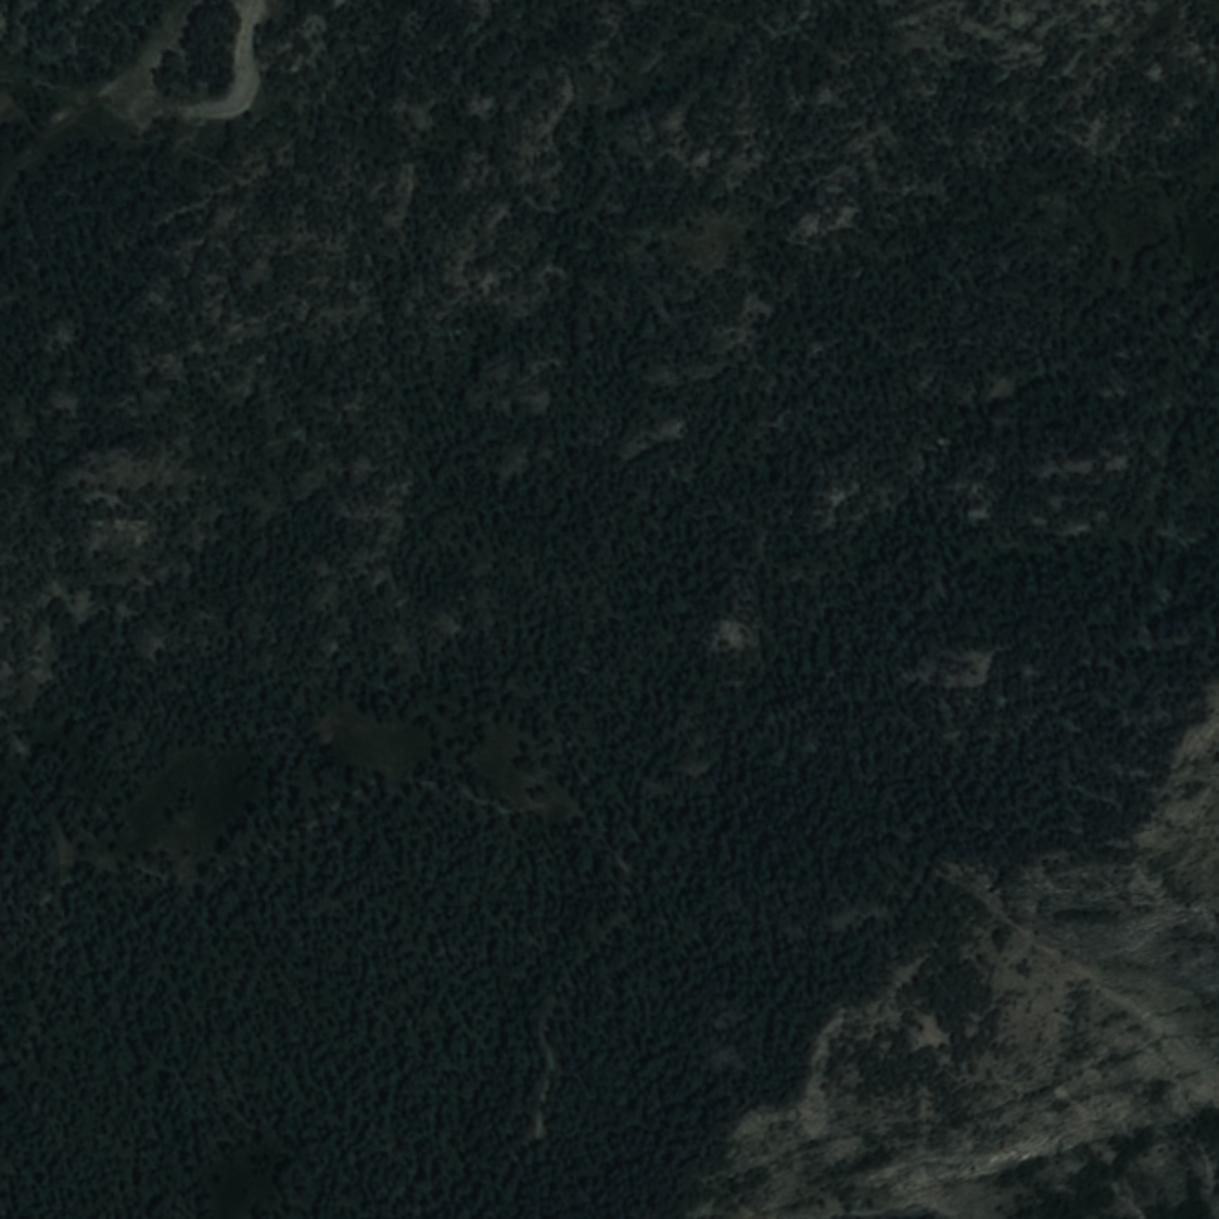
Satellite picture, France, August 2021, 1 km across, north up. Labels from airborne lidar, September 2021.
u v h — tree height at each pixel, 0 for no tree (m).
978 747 16
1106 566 9
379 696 16
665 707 15
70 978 14
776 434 11
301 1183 16
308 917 15
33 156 0
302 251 6
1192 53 0
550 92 8
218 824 0
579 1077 12
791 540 17
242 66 0
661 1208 19
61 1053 12
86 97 0
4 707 13
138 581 16
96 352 9
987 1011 8
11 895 15
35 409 8
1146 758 7
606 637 15
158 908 18
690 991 9
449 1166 19
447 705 13
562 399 17
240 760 0
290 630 11
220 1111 11
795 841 12
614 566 8
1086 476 7
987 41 12
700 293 9
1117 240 0
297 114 8
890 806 14
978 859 7
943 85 9
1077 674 9
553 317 12
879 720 16
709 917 14
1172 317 13
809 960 16
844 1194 10
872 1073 15
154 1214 23
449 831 14
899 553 13
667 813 13
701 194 10
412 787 13
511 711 7
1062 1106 7
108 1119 10
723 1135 9
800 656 7
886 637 12
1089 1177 9
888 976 8
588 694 11
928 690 12
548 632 11
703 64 6
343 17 10
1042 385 12
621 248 7
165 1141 18
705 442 9
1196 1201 16
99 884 15
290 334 15
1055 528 7
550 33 7
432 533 15
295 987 6
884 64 7
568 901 14
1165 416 11
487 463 6
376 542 6
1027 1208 11
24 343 10
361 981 9
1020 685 19
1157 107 10
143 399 10
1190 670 5
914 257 9
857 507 11
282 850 10
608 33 7
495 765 0
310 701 10
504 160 10
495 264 8
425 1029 15
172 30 0
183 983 12
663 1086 19
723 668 14
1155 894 7
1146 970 0
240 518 9
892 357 9
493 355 14
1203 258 0
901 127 13
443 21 8
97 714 13
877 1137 7
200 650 14
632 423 20
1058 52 7
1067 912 10
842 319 12
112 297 10
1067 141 9
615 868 12
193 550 12
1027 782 18
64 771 10
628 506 12
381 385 14
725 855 21
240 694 13
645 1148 19
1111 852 8
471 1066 15
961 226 6
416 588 11
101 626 11
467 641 15
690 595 9
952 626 10
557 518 17
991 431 7
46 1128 16
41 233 9
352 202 8
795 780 21
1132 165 8
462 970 14
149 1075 20
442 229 7
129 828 20
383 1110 18
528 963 21
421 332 11
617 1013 9
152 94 0
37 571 7
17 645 13
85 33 11
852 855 14
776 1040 15
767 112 6
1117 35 11
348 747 0
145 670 8
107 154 8
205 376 14
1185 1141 10
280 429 13
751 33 8
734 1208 10
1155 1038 10
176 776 0
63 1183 13
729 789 21
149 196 10
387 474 11
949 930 12
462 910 16
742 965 17
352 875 17
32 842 20
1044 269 8
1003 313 7
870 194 15
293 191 7
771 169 8
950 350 8
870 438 13
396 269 10
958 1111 8
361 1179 12
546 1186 21
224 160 9
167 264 7
